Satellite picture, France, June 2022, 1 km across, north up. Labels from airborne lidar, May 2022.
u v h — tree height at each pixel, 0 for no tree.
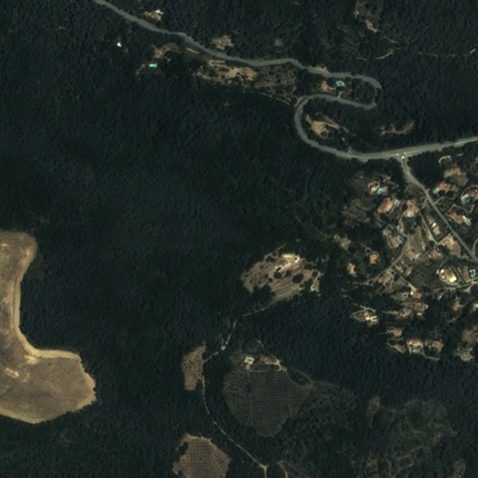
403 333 8
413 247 0
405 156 0
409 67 7
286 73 8
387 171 15
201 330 22
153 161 15
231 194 11
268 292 14
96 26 17
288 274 12
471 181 9
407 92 11
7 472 9
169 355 14
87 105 12
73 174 14
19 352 0
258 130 8
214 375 14
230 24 23
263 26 14
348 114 15
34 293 17
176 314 15
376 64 10
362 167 7
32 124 13
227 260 15
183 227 19
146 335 14
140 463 11
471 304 10
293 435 11
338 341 17
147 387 10
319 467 9
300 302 22
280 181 11
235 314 15
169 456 18
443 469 7
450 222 9
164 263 14
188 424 15
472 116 16
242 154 12
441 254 0
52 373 0
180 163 17
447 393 18
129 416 15
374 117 17
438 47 21
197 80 10
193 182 10
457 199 10
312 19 21
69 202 8
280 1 7
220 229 17
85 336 15
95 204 10
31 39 14
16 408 0
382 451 17
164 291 15
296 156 14
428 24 20
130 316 14
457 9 19
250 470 14
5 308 0
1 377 0
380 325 7
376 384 8
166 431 14
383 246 12
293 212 19
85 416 11
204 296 14
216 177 12
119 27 14
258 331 23
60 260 15
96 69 18
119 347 11
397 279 9
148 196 13
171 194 14
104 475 13
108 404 14
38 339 18
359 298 8
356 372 19
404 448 12
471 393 21
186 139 11
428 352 12
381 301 17
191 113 20
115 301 19
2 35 13
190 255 18
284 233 17
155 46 13
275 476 10
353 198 10
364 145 13
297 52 15
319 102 21
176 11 20
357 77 23
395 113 22
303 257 10
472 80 7
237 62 9
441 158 9
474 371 19
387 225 8
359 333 15
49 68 19
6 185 12
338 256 7
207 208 20
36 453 12
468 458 9
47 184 15
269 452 14
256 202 17
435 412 0
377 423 15
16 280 0
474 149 19
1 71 9
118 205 15
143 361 17
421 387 18
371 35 10
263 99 13
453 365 20
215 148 14
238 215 20
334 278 10
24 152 17
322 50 19
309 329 21
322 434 15
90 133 18
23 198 11
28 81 19
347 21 16
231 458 7
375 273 10
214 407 20
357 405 13
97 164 16
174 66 16
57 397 0
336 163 10
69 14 8
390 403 10
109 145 14
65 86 8
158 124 17
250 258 18
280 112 6
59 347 17
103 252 13
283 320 17
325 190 20
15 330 0
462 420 18
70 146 15
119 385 17
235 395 6
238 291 15
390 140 12
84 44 13
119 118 14
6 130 18
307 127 10
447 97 8
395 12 21
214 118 26
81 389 0
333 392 12
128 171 12
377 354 24
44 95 20
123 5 11
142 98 15
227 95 10
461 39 15
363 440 18
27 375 0
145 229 12
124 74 11
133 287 17
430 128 17
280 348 16
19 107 14
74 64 21
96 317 13
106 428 15
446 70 6
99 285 13
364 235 16
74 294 13
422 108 21
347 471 11
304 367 9
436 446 8
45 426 9
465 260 6
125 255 14
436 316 19
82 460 9
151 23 7
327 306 25
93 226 13
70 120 16
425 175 12
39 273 0
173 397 12
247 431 15
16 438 10
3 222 8
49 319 16
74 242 8
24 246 0
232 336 11
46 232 11
